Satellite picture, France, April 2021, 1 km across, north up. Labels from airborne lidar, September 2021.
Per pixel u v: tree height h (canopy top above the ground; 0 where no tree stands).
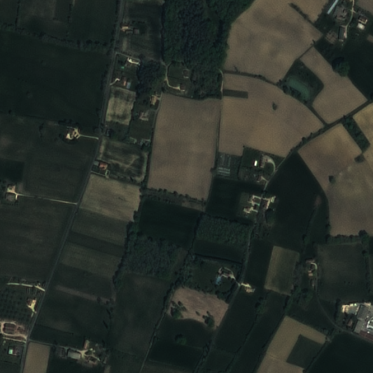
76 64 0
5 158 0
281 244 0
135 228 21
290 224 0
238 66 0
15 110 0
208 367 0
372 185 0
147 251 19
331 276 0
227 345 0
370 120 0
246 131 0
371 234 0
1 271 0
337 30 0
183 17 24
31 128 0
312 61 0
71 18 8
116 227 0
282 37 0
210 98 11
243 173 0
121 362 0
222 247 0
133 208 0
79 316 0
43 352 0
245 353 0
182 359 0
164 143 0
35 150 0
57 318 0
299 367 0
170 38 23
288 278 0
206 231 17
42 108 0
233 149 0
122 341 0
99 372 0
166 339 0
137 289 0
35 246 0
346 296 0
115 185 0
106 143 0
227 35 26
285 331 0
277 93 0
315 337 0
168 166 0
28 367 0
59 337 0
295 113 0
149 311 0
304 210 0
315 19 0
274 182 0
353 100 0
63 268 0
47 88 0
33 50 0
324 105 0
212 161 0
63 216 0
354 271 0
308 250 0
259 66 0
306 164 0
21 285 8
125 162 0
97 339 0
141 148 8
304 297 12
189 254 7
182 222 0
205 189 0
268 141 0
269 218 18
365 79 0
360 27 0
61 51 0
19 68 0
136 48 0
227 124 0
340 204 0
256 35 0
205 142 0
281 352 0
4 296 10
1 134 0
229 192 0
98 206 0
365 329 0
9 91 0
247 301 0
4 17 0
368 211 0
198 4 21
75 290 0
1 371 0
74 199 0
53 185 0
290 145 0
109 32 0
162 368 0
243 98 0
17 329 0
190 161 0
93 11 0
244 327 0
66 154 0
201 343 0
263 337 0
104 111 0
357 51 0
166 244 17
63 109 0
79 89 0
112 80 0
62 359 0
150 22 0
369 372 0
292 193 0
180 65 12
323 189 0
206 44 18
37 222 0
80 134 0
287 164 0
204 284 0
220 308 0
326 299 0
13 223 0
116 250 0
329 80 0
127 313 0
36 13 0
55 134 0
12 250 0
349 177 0
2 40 0
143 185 10
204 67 22
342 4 9
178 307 10
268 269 0
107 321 0
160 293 0
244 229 14
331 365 0
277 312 0
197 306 0
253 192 0
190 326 0
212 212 0
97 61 0
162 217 0
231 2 21
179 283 9
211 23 22
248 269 0
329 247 0
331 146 0
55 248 0
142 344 0
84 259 0
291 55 0
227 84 0
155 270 19
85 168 0
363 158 0
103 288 0
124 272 18
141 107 0
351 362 0
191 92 0
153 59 0
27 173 0
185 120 0
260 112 0
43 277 0
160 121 0
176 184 0
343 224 0
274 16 0
